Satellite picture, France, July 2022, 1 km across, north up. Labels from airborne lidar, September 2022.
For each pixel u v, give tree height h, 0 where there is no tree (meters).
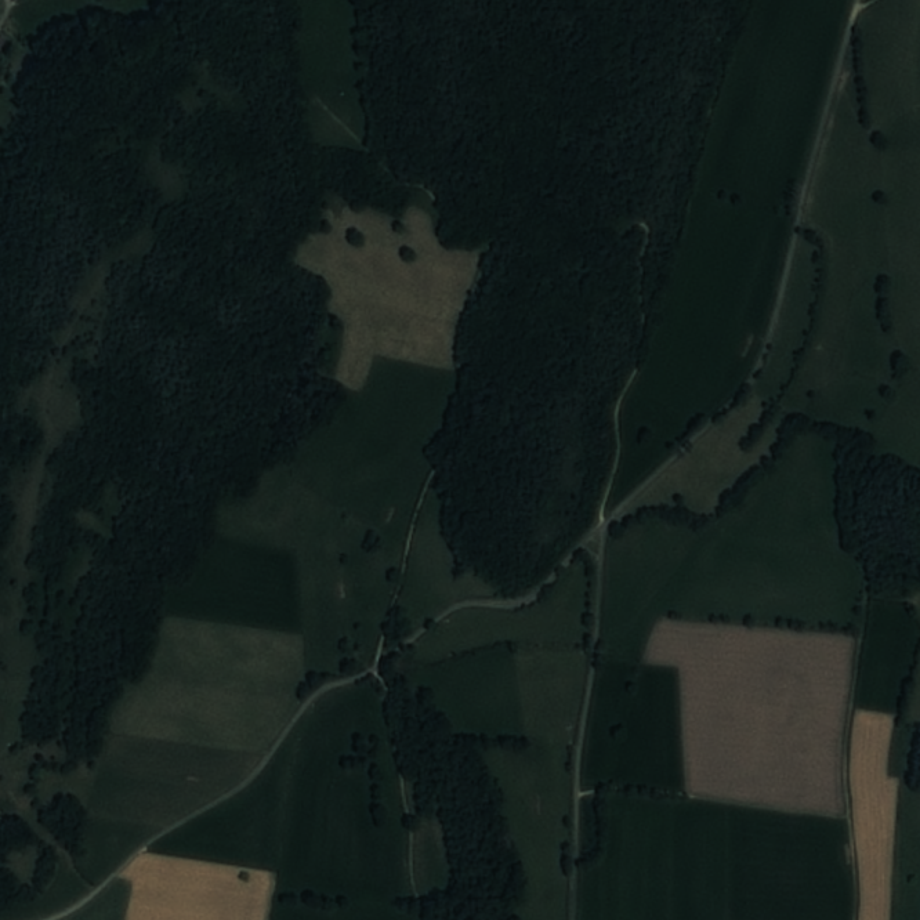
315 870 0
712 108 8
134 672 17
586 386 9
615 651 0
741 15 17
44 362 9
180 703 0
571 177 17
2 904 17
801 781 0
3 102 0
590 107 16
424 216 0
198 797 0
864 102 13
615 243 17
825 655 0
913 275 0
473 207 16
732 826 0
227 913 0
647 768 0
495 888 20
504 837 28
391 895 0
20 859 0
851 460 21
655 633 0
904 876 0
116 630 15
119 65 14
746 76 0
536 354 15
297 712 0
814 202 0
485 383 20
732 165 0
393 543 0
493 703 0
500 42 16
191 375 14
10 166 15
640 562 0
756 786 0
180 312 17
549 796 0
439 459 14
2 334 17
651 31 13
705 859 0
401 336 0
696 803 0
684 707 0
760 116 0
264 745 0
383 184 14
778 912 0
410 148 13
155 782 0
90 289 0
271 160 14
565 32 17
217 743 0
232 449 19
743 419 0
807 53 0
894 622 0
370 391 0
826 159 0
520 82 11
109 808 0
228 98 0
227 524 0
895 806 0
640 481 0
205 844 0
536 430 13
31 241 10
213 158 16
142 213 17
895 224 0
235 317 16
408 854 0
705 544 0
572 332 15
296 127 8
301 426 22
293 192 14
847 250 0
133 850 0
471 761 22
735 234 0
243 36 17
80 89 17
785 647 0
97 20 28
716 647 0
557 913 0
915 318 0
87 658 16
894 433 0
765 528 0
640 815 0
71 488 9
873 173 0
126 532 16
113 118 11
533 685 0
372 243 0
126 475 10
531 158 12
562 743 0
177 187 0
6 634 0
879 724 0
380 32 6
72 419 0
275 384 23
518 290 20
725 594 0
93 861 0
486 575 9
